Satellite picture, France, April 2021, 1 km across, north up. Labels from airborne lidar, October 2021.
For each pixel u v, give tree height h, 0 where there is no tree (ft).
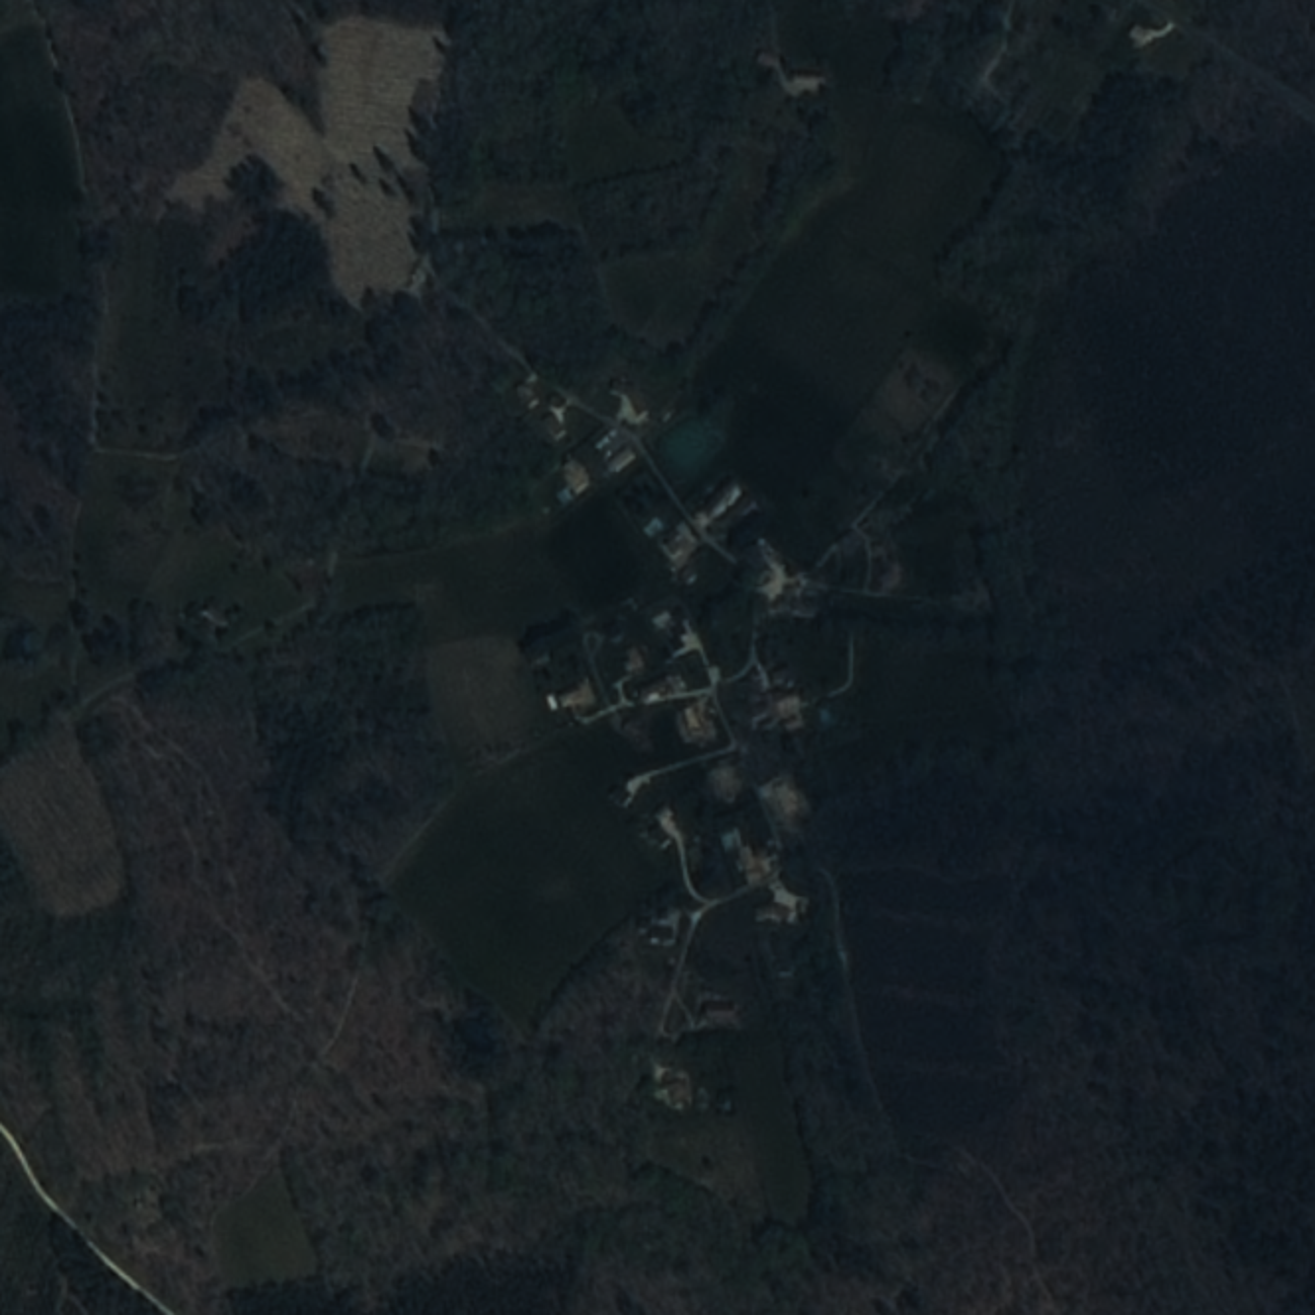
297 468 56
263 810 53
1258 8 50
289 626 0
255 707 53
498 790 0
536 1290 49
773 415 0
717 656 22
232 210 35
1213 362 21
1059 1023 57
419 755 69
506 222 0
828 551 0
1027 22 33
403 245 0
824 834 63
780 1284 60
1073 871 61
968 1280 45
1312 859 21
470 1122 58
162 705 58
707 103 46
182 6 58
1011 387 39
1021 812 59
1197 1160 87
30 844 73
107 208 31
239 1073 20
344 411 61
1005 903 41
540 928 0
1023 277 62
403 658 41
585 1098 71
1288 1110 41
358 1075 26
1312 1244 66
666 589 0
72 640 58
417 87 0
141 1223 35
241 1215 0
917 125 0
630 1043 42
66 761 67
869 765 0
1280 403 20
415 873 0
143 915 56
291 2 60
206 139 29
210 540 0
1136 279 23
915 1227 72
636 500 31
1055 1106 40
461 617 0
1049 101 0
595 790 0
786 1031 29
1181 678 44
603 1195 57
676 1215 71
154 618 34
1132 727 40
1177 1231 57
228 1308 28
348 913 52
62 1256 57
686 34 54
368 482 56
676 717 0
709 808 31
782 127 0
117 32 20
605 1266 59
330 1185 51
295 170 0
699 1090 0
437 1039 47
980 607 0
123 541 0
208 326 41
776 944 38
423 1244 54
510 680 0
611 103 73
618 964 19
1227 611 54
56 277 0
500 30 61
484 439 52
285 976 21
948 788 66
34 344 74
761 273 25
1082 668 45
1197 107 48
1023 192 52
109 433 29
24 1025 25
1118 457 21
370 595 0
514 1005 0
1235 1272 83
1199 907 35
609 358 68
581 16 56
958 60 58
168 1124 59
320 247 56
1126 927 60
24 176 0
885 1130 58
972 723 0
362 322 0
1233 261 25
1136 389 24
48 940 21
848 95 0
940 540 0
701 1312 70
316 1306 47
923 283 0
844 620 50
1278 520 23
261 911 39
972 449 75
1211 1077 51
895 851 70
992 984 49
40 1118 49
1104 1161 42
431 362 63
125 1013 41
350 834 57
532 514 51
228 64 63
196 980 21
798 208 66
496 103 81
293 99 67
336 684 34
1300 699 0
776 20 51
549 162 35
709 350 27
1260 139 36
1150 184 46
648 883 0
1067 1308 32
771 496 0
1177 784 30
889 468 0
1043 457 40
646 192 19
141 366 0
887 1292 97
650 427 0
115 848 59
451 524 74
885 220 0
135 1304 50
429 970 39
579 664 23
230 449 75
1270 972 43
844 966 54
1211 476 25
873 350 0
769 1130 0
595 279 57
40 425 73
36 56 0
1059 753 64
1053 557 18
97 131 21
